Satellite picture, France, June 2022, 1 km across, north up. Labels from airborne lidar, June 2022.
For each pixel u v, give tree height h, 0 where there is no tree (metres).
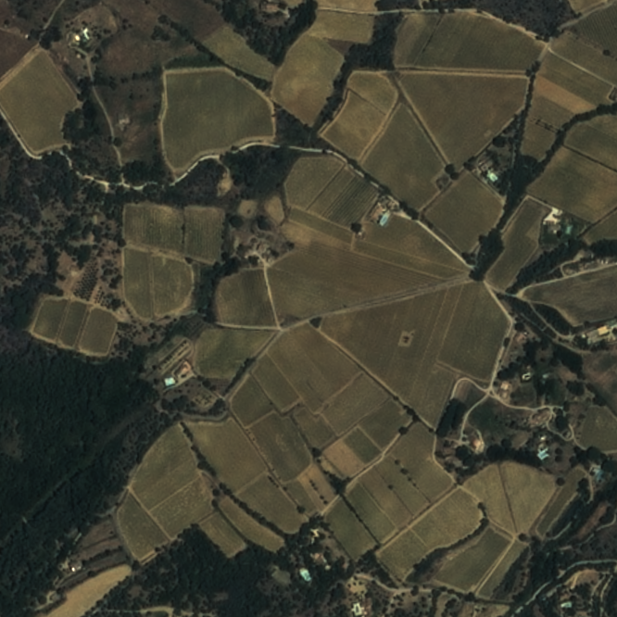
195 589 13
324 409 0
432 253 0
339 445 0
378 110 0
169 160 0
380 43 12
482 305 0
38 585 13
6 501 12
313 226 0
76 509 12
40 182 9
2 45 0
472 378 0
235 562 10
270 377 0
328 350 0
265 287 0
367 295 0
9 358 19
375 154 0
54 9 0
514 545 0
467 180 0
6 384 11
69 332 0
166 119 0
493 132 0
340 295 0
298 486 0
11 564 14
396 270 0
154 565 10
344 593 13
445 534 0
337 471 0
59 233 7
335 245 0
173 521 0
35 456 11
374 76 0
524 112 10
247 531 0
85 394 15
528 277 10
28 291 12
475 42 0
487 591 0
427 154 0
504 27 0
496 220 0
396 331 0
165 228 0
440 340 0
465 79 0
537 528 0
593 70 0
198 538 9
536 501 0
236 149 7
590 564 8
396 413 0
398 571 0
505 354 0
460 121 0
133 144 0
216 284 11
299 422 0
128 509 0
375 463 0
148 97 0
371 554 13
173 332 7
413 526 0
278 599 8
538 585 9
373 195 0
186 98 0
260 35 10
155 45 0
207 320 13
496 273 0
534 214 0
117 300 13
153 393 9
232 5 12
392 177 0
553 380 9
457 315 0
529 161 9
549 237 0
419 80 0
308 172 0
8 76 0
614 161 0
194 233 0
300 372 0
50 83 0
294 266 0
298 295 0
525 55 0
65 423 11
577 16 9
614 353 0
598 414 0
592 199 0
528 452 13
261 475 0
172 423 7
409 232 0
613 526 0
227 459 0
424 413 0
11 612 13
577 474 0
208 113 0
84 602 0
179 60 7
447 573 0
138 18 0
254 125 0
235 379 9
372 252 0
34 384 15
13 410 9
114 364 12
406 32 0
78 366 7
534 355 16
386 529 0
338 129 0
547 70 0
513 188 11
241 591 8
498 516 0
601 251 12
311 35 0
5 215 7
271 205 0
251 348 0
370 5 0
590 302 0
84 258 14
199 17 0
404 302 0
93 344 0
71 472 15
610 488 7
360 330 0
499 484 0
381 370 0
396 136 0
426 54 0
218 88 0
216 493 10
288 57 0
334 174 0
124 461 9
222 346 0
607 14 0
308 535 8
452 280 0
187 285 0
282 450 0
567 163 0
